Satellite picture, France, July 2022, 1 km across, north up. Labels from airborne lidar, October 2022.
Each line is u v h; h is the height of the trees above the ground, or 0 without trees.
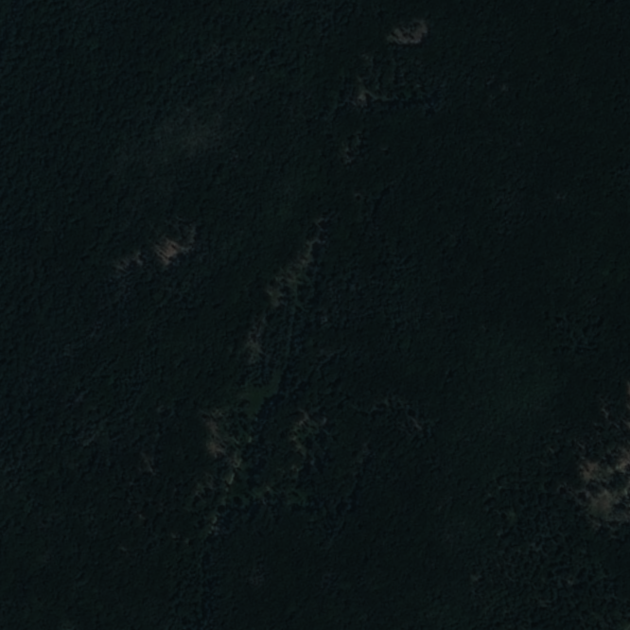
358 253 23
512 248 21
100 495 22
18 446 20
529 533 17
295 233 20
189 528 26
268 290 19
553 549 20
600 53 23
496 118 19
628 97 28
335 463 29
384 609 14
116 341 14
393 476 19
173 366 22
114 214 14
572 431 19
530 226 19
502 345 12
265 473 26
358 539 23
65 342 11
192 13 21
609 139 24
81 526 17
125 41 23
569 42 22
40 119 18
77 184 17
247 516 26
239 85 10
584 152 17
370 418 22
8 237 21
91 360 14
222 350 13
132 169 14
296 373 26
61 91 22
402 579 17
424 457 19
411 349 20
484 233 22
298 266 26
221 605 21
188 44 14
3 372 25
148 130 17
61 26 20
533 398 9
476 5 22
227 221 11
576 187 20
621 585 23
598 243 15
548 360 13
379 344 19
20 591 16
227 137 9
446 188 14
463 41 14
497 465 12
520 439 13
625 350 24
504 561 17
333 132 26
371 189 16
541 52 18
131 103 23
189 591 23
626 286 20
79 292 15
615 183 23
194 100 11
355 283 27
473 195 16
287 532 22
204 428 27
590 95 23
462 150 20
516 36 20
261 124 17
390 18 27
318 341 25
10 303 19
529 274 19
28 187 15
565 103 16
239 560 12
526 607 14
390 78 26
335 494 26
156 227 22
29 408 16
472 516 10
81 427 17
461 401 13
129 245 16
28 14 19
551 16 25
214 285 19
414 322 17
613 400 25
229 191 15
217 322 16
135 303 24
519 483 13
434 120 21
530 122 20
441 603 16
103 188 20
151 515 25
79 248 25
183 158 12
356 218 24
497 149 20
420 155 15
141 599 15
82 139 16
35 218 17
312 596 28
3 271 12
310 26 20
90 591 18
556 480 21
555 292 16
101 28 11
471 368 17
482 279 18
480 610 14
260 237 13
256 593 20
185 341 11
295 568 22
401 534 16
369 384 25
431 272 14
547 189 22
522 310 21
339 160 22
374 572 22
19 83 16
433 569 12
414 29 7
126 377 15
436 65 19
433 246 13
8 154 18
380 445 24
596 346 21
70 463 21
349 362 28
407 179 22
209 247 15
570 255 16
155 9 17
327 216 26
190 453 21
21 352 23
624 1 31
